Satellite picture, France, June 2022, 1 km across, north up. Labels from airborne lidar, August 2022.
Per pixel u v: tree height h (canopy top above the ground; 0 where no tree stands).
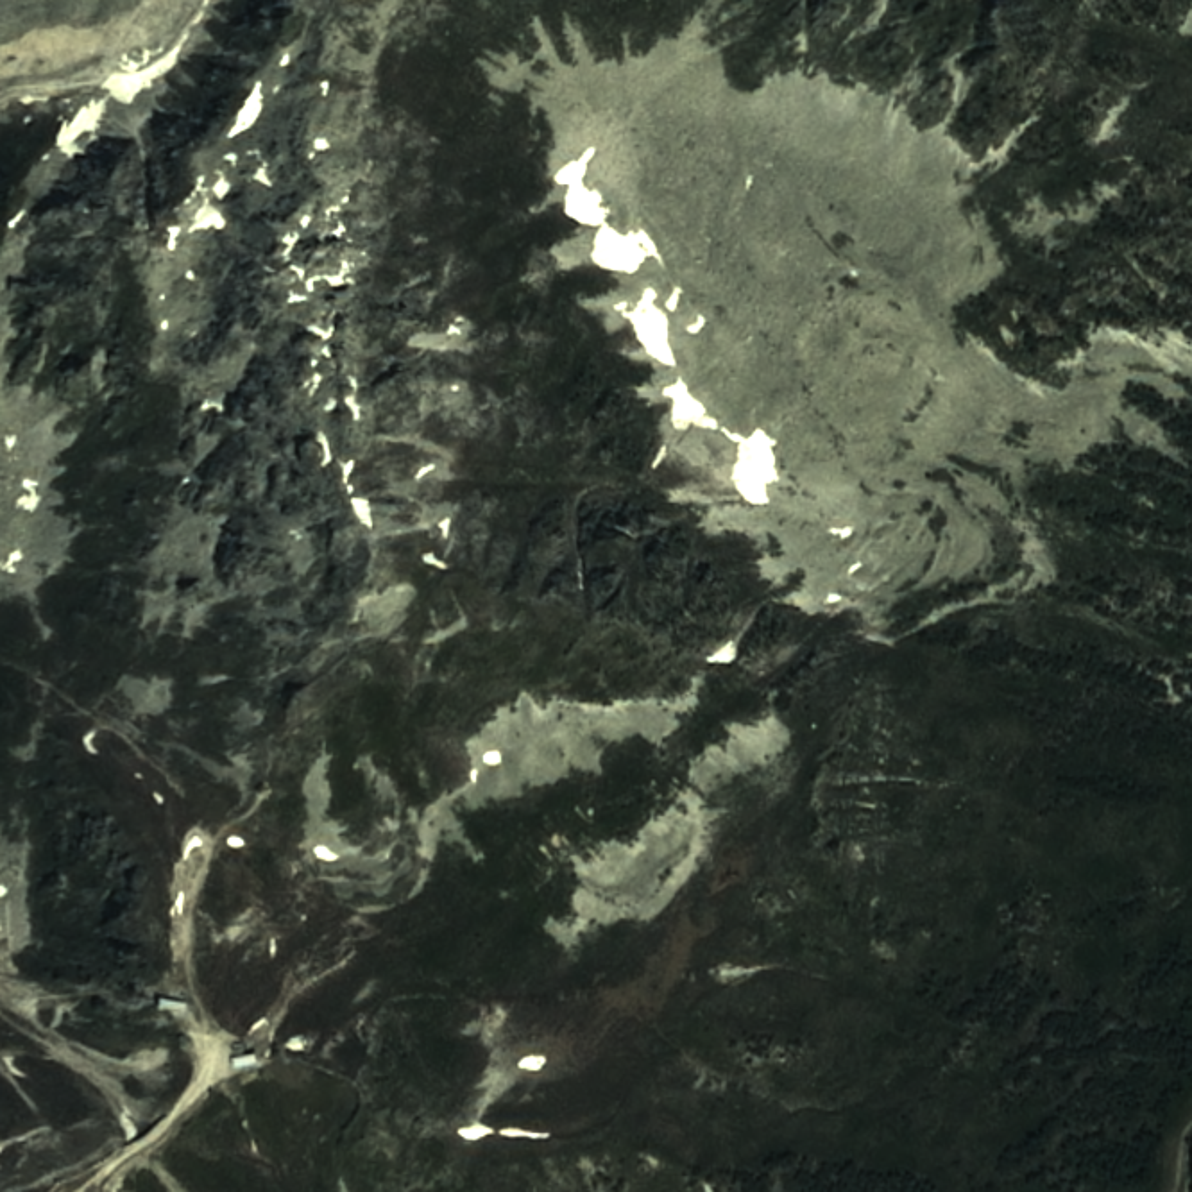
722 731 0
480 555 0
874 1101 0
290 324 0
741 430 0
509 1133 0
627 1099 0
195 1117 0
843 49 0
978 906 0
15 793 0
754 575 0
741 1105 0
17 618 0
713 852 0
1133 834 0
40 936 0
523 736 0
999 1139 0
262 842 0
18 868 0
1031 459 0
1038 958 0
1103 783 8
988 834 0
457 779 0
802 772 0
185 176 0
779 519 0
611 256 0
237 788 0
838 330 0
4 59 0
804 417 0
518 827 0
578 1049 0
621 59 0
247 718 0
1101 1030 13
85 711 0
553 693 0
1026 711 7
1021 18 6
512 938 0
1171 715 8
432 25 0
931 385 0
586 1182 0
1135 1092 10
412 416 0
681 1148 0
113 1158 0
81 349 0
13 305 0
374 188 0
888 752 0
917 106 0
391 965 0
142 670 0
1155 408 10
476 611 0
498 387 0
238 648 0
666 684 0
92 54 0
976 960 0
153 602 0
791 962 0
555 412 0
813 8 11
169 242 0
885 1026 0
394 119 0
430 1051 0
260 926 0
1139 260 10
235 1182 0
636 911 0
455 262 0
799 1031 0
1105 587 10
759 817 0
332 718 0
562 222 0
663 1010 0
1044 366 0
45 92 0
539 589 0
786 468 0
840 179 0
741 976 0
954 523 0
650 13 0
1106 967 0
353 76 0
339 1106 0
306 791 0
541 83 0
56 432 0
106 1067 0
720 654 0
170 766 0
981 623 0
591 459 0
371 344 0
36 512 0
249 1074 0
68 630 0
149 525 0
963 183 0
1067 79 0
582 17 0
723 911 0
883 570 0
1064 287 7
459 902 0
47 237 0
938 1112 0
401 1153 0
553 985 0
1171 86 0
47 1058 0
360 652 0
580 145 0
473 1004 0
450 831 0
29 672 0
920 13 13
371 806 0
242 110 0
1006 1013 11
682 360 0
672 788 0
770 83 0
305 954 0
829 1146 0
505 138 0
